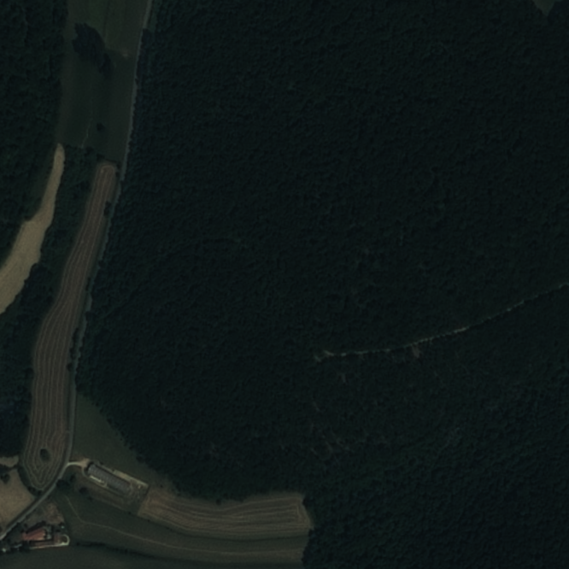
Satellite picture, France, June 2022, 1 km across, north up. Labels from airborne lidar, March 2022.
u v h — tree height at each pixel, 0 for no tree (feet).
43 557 0
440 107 75
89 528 0
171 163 51
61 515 0
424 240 54
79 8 0
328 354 0
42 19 61
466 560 67
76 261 0
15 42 57
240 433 0
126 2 0
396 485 74
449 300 45
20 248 0
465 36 63
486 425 52
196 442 59
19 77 57
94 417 0
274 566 0
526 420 74
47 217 0
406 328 49
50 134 63
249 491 43
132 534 0
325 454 69
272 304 0
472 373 69
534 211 70
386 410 43
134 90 0
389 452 53
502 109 63
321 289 57
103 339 62
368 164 54
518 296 48
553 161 68
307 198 62
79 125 0
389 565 49
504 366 58
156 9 0
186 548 0
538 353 81
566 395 63
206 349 0
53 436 0
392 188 66
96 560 0
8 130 54
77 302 0
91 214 0
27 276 0
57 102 72
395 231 48
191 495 37
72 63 0
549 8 0
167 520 0
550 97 64
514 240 63
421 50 48
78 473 0
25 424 69
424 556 72
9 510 0
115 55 0
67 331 0
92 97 0
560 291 55
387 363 49
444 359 43
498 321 51
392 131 59
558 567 76
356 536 67
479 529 71
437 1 77
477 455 64
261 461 48
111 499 0
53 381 0
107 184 0
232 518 0
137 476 0
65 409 0
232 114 0
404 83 59
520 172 62
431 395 42
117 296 55
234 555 0
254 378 0
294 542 0
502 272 50
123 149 0
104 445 0
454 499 60
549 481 75
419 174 63
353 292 0
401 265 66
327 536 61
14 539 0
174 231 44
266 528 0
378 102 64
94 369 66
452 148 57
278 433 0
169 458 43
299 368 0
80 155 23
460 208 67
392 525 56
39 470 0
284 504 0
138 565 0
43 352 0
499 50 62
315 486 33
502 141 68
